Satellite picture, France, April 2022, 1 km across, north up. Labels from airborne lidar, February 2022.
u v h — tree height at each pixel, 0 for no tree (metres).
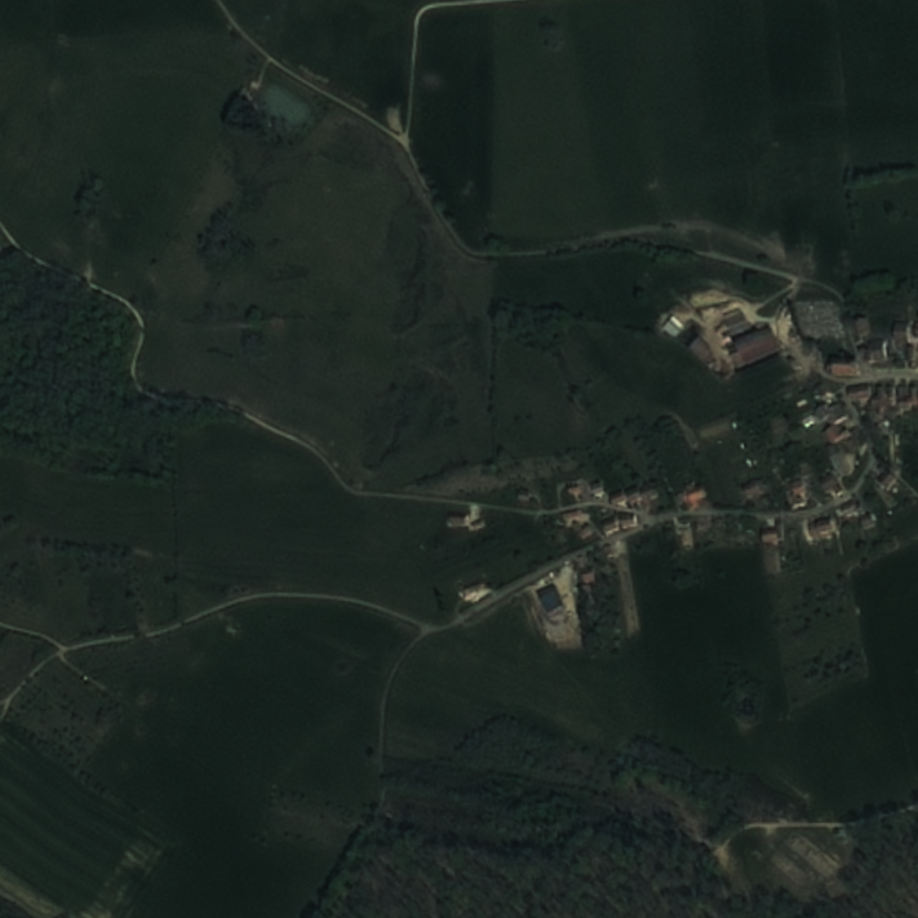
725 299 0
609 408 0
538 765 7
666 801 0
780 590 0
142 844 0
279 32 0
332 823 0
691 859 30
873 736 0
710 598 0
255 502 0
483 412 0
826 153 0
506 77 0
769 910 31
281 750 0
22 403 27
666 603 0
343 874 14
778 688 0
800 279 0
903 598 0
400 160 0
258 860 0
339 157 0
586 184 0
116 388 23
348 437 0
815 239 0
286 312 0
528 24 0
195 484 0
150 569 0
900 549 0
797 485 0
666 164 0
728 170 0
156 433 18
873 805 0
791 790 0
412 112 0
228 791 0
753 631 0
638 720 0
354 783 0
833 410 0
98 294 7
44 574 0
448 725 0
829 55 0
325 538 0
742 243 0
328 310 0
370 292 0
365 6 0
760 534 0
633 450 0
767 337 0
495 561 0
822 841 0
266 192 0
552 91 0
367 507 0
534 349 8
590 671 0
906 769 0
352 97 0
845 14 0
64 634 0
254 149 0
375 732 0
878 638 0
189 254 0
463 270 0
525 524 0
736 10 0
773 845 0
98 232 0
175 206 0
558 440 0
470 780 0
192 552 0
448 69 0
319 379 0
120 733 0
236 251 11
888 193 0
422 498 0
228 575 0
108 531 0
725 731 0
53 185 0
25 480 0
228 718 0
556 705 0
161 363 0
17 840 0
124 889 0
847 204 0
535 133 0
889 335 0
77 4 0
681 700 0
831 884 0
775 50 0
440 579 0
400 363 0
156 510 0
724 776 11
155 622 0
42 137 0
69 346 16
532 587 0
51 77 0
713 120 0
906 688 0
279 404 0
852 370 0
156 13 0
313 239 0
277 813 0
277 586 0
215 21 0
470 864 33
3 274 15
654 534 0
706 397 0
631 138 0
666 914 33
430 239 0
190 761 0
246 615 0
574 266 0
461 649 0
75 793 0
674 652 0
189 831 0
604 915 33
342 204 0
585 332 0
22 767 0
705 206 0
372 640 0
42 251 0
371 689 0
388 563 0
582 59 0
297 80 0
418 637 0
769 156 0
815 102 0
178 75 0
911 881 30
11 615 0
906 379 0
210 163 0
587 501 0
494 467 11
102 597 0
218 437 0
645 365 0
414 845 29
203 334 0
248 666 0
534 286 0
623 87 0
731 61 0
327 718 0
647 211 0
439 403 0
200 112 0
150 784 0
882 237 0
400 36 0
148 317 0
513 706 0
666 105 0
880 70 0
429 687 0
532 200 0
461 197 0
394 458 0
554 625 0
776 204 0
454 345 0
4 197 0
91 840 0
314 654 0
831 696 0
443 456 0
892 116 0
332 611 0
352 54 0
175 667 0
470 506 0
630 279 0
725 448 0
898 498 0
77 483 0
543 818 18
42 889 0
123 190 0
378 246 0
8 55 0
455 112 0
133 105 0
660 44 0
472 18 0
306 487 0
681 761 18
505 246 14
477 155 0
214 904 0
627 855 35
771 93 0
